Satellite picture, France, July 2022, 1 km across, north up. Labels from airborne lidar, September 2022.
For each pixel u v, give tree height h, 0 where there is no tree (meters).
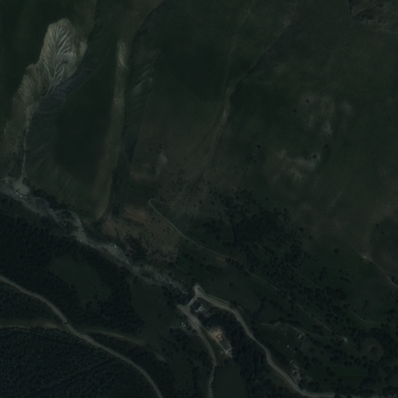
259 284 0
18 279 18
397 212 0
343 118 0
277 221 6
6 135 0
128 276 6
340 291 14
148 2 0
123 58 0
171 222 0
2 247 20
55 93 0
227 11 0
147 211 0
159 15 0
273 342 0
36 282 21
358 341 8
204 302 15
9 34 0
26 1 0
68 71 0
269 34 0
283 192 0
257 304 0
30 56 0
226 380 0
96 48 0
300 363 0
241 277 0
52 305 0
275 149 0
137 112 0
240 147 0
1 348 18
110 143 0
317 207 0
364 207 0
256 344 20
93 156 0
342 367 0
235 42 0
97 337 14
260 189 0
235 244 12
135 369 12
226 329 6
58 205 9
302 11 0
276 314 0
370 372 14
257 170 0
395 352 12
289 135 0
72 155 0
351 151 0
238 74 0
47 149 0
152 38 0
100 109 0
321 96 0
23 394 12
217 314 10
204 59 0
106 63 0
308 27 0
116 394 19
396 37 0
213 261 0
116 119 0
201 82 0
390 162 0
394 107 0
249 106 0
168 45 0
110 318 6
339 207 0
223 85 0
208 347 0
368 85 0
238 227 14
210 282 0
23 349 18
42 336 10
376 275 0
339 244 0
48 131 0
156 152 0
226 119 0
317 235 0
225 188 0
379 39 0
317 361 16
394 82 0
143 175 0
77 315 12
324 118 0
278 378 0
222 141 0
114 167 0
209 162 0
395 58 0
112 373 20
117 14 0
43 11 0
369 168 0
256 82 0
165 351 14
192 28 0
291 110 0
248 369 12
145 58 0
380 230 0
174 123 0
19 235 16
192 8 0
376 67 0
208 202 0
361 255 0
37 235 18
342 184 0
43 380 11
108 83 0
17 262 19
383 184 0
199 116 0
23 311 13
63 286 18
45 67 0
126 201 0
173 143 0
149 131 0
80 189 0
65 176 0
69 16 0
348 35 0
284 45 0
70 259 0
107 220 0
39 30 0
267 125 0
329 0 0
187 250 0
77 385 21
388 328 17
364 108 0
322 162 0
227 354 0
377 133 0
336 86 0
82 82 0
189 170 0
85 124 0
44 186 0
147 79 0
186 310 0
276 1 0
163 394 10
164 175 0
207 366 14
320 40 0
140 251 11
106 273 6
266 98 0
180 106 0
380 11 0
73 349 16
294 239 5
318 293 12
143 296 0
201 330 0
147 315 0
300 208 0
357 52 0
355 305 0
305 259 6
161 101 0
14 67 0
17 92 0
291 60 0
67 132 0
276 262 14
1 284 17
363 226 0
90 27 0
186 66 0
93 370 12
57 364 16
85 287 0
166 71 0
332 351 16
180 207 0
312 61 0
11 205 8
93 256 8
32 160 0
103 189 0
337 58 0
